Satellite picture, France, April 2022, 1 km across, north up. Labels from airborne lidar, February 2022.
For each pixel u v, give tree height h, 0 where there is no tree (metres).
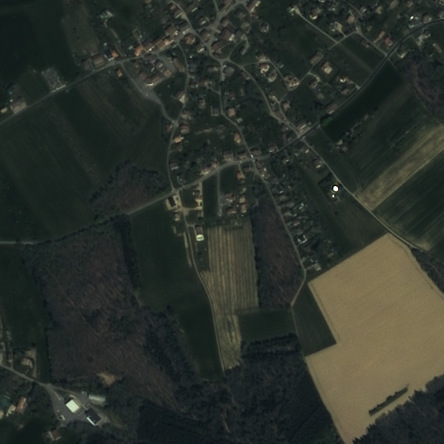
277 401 30
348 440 0
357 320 0
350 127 0
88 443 9
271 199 18
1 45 0
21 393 13
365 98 0
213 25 0
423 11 9
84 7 0
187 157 12
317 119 0
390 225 0
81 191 0
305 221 7
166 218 0
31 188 0
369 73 0
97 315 18
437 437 29
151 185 19
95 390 17
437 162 0
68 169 0
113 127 0
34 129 0
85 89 0
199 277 0
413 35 0
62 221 0
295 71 0
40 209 0
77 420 0
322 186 7
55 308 27
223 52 0
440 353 0
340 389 0
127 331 15
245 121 0
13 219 0
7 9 0
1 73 0
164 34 0
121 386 19
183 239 0
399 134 0
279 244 23
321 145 0
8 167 0
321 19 10
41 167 0
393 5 0
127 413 29
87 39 0
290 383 31
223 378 0
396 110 0
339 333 0
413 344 0
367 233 0
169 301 0
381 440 19
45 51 0
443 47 0
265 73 0
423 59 15
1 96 0
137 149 0
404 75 26
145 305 0
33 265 23
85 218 0
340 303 0
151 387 19
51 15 0
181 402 21
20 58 0
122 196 18
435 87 23
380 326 0
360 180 0
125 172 21
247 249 0
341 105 0
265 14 0
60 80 0
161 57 0
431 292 0
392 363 0
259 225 25
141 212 0
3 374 7
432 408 33
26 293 0
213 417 30
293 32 0
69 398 0
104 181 0
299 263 14
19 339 0
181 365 29
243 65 0
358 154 0
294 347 30
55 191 0
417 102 0
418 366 0
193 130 0
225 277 0
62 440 0
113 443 27
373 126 0
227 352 0
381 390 0
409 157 0
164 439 28
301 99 0
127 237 16
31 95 0
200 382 25
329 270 0
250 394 15
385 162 0
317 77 0
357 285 0
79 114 0
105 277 16
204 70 12
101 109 0
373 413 6
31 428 0
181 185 0
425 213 0
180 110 0
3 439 0
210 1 8
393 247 0
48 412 20
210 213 0
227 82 0
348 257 0
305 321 0
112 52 0
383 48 0
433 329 0
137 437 17
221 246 0
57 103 0
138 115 0
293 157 9
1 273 0
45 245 12
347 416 0
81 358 15
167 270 0
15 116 0
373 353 0
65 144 0
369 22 11
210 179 0
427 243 0
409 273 0
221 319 0
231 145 0
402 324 0
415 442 32
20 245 17
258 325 0
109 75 0
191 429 26
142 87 0
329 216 0
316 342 0
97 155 0
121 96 0
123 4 0
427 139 0
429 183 0
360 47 0
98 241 17
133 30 0
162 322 28
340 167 0
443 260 0
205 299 0
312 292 0
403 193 0
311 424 31
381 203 0
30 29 0
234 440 25
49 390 0
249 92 17
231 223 0
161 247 0
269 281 23
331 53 7
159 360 25
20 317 0
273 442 27
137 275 13
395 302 0
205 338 0
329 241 6
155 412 25
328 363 0
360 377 0
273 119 8
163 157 0
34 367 0
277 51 8
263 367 30
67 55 0
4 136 0
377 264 0
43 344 0
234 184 0
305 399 26
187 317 0
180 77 0
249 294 0
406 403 0
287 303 22
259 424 27
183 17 0
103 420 0
